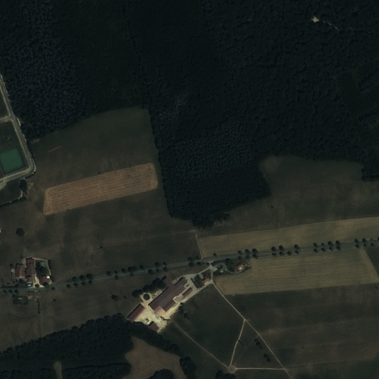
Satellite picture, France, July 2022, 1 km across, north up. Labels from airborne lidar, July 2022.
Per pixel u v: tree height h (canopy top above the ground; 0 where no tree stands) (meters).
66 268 0
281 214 0
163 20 24
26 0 35
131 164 0
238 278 0
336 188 0
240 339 0
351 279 0
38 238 0
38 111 31
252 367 0
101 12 6
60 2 6
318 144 24
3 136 0
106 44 6
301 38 29
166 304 0
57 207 0
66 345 16
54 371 6
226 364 0
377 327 0
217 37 22
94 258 0
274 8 27
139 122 0
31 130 11
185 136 16
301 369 0
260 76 23
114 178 0
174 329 0
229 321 0
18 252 0
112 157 0
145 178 0
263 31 25
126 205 0
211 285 0
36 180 0
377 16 26
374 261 0
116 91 6
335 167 0
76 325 0
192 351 0
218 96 18
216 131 30
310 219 0
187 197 19
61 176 0
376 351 0
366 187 0
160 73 24
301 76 28
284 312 0
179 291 0
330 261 0
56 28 13
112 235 0
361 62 23
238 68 24
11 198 0
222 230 0
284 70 28
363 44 21
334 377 0
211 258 0
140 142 0
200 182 26
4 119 0
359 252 0
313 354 0
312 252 0
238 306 0
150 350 0
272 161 0
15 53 26
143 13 25
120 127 0
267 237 0
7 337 0
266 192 18
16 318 0
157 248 0
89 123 0
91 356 16
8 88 9
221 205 19
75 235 0
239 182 24
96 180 0
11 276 0
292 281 0
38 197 0
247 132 28
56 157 0
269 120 29
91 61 8
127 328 20
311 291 0
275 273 0
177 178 25
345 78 7
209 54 26
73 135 0
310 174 0
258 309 0
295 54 28
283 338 0
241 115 24
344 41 23
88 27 7
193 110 26
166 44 24
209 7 29
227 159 25
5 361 13
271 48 8
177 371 0
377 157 6
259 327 0
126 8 22
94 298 0
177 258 0
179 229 0
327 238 0
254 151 24
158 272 11
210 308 0
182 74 23
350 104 6
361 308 0
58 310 0
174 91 21
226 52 23
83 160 0
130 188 0
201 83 20
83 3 7
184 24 15
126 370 21
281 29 29
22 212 0
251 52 22
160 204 0
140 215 0
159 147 22
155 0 28
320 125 27
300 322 0
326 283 0
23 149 0
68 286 11
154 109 18
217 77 20
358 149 26
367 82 25
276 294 0
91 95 15
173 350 20
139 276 0
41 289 0
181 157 29
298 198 0
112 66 6
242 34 20
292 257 0
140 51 22
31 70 35
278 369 0
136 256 0
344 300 0
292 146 22
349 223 0
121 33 8
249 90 24
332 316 0
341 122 21
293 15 26
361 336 0
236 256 0
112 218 0
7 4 27
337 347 0
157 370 0
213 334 0
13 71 30
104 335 21
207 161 31
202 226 23
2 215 0
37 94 10
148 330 22
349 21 29
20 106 31
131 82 8
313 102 24
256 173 20
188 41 20
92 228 0
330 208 0
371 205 0
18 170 0
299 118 25
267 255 0
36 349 16
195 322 0
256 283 0
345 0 28
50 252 0
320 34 29
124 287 0
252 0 26
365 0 24
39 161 0
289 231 0
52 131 24
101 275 0
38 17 32
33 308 0
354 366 0
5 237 0
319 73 30
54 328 0
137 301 0
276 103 16
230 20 21
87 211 0
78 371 16
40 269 9
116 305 0
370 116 23
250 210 0
